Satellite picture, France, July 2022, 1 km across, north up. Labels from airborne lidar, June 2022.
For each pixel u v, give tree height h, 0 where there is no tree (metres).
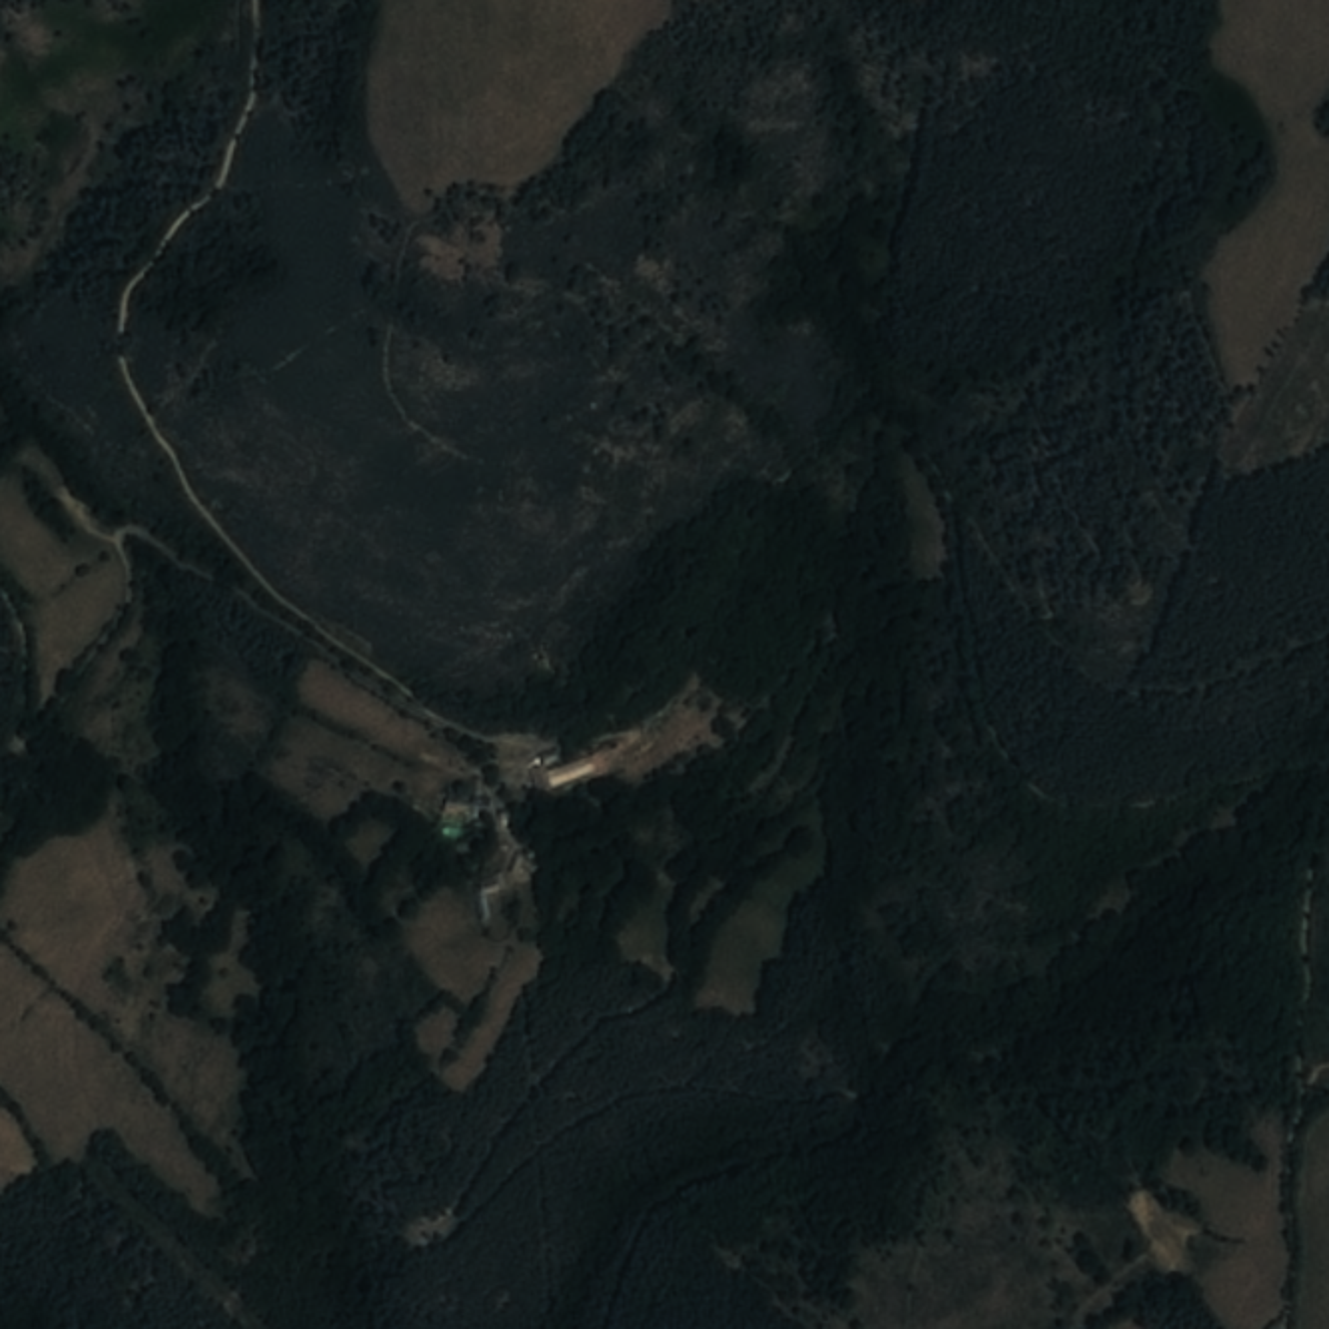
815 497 15
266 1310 17
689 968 17
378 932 19
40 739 16
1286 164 0
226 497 0
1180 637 18
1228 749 21
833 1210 13
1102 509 15
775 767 11
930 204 21
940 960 7
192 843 16
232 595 25
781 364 0
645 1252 19
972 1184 0
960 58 11
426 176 0
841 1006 25
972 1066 18
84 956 0
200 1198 0
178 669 21
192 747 20
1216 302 0
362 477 0
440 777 0
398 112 0
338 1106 8
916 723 11
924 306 21
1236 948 19
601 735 18
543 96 0
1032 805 11
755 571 19
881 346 10
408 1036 14
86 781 23
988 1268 0
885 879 9
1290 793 17
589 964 14
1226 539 20
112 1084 0
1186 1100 13
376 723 0
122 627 9
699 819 21
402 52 0
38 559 0
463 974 0
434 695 10
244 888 24
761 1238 12
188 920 16
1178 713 20
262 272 9
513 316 0
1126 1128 11
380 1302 14
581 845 20
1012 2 18
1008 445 14
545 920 11
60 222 0
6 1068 0
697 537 13
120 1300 14
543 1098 22
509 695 7
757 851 16
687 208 13
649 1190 23
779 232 10
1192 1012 6
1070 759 20
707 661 13
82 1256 18
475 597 0
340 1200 21
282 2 12
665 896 0
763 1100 21
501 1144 19
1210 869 29
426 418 0
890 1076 18
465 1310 18
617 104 13
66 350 0
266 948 30
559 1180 22
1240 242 0
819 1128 25
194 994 24
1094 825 12
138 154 14
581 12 0
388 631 0
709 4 12
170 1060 0
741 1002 0
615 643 13
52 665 0
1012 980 7
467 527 0
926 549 0
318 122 8
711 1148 24
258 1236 7
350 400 0
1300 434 0
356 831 17
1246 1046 10
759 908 0
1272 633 19
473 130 0
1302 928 8
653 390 0
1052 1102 16
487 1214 21
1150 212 21
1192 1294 24
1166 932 14
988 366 18
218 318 8
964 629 14
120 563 0
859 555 24
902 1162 10
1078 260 17
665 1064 21
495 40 0
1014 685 18
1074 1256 11
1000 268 19
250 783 13
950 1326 0
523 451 0
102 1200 18
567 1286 19
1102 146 17
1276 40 0
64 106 0
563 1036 20
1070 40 15
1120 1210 0
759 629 17
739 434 0
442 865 11
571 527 0
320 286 0
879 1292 0
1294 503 20
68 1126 0
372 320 0
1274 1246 0
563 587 0
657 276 0
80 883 0
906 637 16
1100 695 19
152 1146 0
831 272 12
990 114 20
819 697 14
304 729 0
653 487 0
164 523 11
